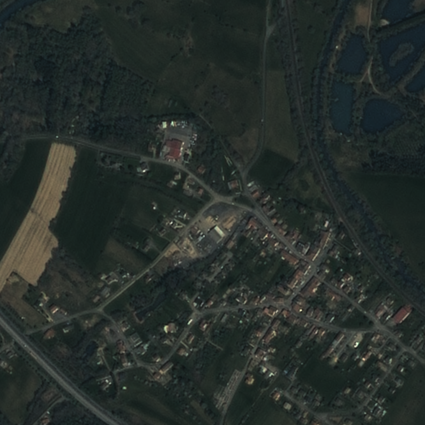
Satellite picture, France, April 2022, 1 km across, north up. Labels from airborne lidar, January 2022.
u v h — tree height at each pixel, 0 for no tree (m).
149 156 0
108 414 0
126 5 0
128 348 0
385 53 0
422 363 0
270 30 0
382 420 0
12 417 0
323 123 19
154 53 0
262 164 0
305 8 0
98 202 0
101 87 23
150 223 0
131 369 0
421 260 0
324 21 0
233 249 0
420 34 0
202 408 10
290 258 0
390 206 0
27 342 0
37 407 15
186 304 0
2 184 0
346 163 0
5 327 0
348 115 0
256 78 0
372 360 0
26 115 23
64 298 0
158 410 0
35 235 0
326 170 12
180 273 22
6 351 0
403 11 0
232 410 0
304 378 0
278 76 0
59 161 0
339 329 0
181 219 0
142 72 0
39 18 0
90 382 15
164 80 0
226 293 0
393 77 0
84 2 0
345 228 11
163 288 23
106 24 0
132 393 0
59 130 21
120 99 19
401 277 21
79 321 0
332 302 0
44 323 6
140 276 0
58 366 6
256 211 0
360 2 0
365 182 0
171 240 0
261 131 0
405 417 0
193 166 0
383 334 0
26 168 0
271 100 0
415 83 0
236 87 0
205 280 0
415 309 7
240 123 0
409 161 25
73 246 0
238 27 0
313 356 0
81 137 20
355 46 0
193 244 0
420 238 0
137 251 10
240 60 0
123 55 0
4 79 12
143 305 11
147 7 13
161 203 0
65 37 17
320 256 0
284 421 0
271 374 0
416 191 0
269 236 0
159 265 0
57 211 0
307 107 14
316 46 0
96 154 0
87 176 0
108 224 0
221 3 0
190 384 9
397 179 0
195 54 0
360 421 0
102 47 20
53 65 27
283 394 0
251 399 0
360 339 0
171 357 0
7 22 19
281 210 0
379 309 0
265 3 0
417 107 14
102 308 0
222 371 0
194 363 5
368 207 12
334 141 12
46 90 15
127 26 0
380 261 19
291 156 0
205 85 0
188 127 0
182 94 0
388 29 15
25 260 0
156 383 6
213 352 11
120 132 27
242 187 0
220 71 0
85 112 11
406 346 0
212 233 0
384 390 0
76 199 0
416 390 0
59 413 14
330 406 10
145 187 6
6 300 0
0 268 0
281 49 0
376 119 0
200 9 0
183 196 0
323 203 0
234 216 0
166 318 0
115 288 0
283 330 0
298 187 0
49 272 18
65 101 16
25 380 0
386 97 0
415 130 24
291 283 0
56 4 0
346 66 0
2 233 0
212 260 13
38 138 0
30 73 23
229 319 0
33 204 0
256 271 0
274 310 0
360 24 0
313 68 0
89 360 15
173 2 0
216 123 0
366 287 0
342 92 0
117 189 0
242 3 0
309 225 0
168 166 0
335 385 0
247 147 0
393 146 26
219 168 20
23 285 0
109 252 0
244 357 0
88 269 0
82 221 0
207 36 0
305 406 0
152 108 0
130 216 0
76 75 20
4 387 0
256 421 0
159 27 0
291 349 7
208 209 0
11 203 0
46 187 0
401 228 0
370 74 0
